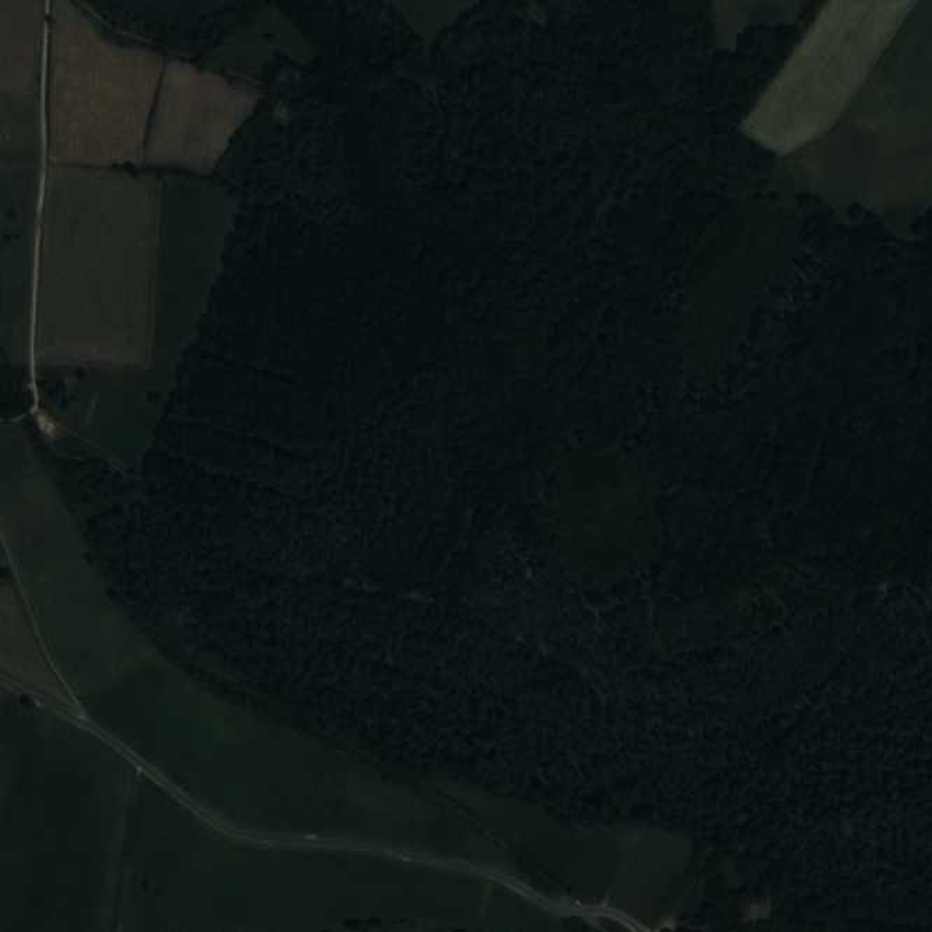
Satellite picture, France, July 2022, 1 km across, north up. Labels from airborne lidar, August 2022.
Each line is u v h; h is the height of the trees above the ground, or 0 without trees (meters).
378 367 17
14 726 0
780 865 19
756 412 34
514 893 0
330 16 33
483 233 31
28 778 0
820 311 28
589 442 27
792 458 20
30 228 0
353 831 0
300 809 0
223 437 28
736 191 17
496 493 17
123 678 0
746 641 17
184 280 0
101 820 0
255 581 23
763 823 18
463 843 0
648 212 27
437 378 22
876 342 24
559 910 0
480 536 7
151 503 18
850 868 18
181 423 27
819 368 26
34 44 0
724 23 0
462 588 15
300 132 15
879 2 0
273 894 0
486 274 31
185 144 0
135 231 0
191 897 0
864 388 29
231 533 17
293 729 6
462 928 0
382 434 23
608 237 25
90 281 0
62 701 0
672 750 31
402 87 27
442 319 26
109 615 0
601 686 25
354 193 12
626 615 13
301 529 19
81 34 0
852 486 23
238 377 31
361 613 22
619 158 21
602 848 0
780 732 8
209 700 0
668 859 0
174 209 0
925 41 0
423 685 28
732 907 8
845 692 23
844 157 0
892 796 29
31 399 11
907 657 20
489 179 26
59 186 0
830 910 23
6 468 0
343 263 26
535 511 22
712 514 28
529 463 26
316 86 11
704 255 7
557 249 31
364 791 0
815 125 0
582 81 28
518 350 24
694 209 28
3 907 0
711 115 15
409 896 0
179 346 0
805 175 0
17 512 0
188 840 0
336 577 9
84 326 0
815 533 18
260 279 29
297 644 29
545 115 29
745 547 25
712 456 30
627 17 16
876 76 0
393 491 11
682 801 26
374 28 30
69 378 0
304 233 21
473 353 22
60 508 0
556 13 27
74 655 0
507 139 25
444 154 30
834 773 23
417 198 33
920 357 25
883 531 24
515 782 24
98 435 0
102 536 13
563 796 25
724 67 20
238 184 8
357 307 14
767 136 0
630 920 0
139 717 0
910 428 25
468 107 29
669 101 13
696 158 17
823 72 0
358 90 26
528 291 30
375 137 25
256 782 0
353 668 26
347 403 17
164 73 0
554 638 21
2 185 0
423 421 16
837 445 25
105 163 0
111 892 0
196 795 0
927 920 16
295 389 26
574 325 33
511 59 24
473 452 23
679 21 13
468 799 0
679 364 27
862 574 15
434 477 15
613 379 28
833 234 28
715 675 25
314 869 0
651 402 30
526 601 22
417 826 0
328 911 0
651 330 28
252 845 0
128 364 0
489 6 16
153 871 0
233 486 20
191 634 22
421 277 28
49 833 0
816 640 22
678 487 26
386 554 11
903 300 30
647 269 29
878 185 0
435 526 14
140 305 0
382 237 26
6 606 0
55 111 0
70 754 0
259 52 0
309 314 25
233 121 0
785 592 12
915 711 27
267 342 28
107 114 0
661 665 9
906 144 0
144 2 0
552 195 22
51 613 0
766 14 0
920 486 24
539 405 30
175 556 24
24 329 0
